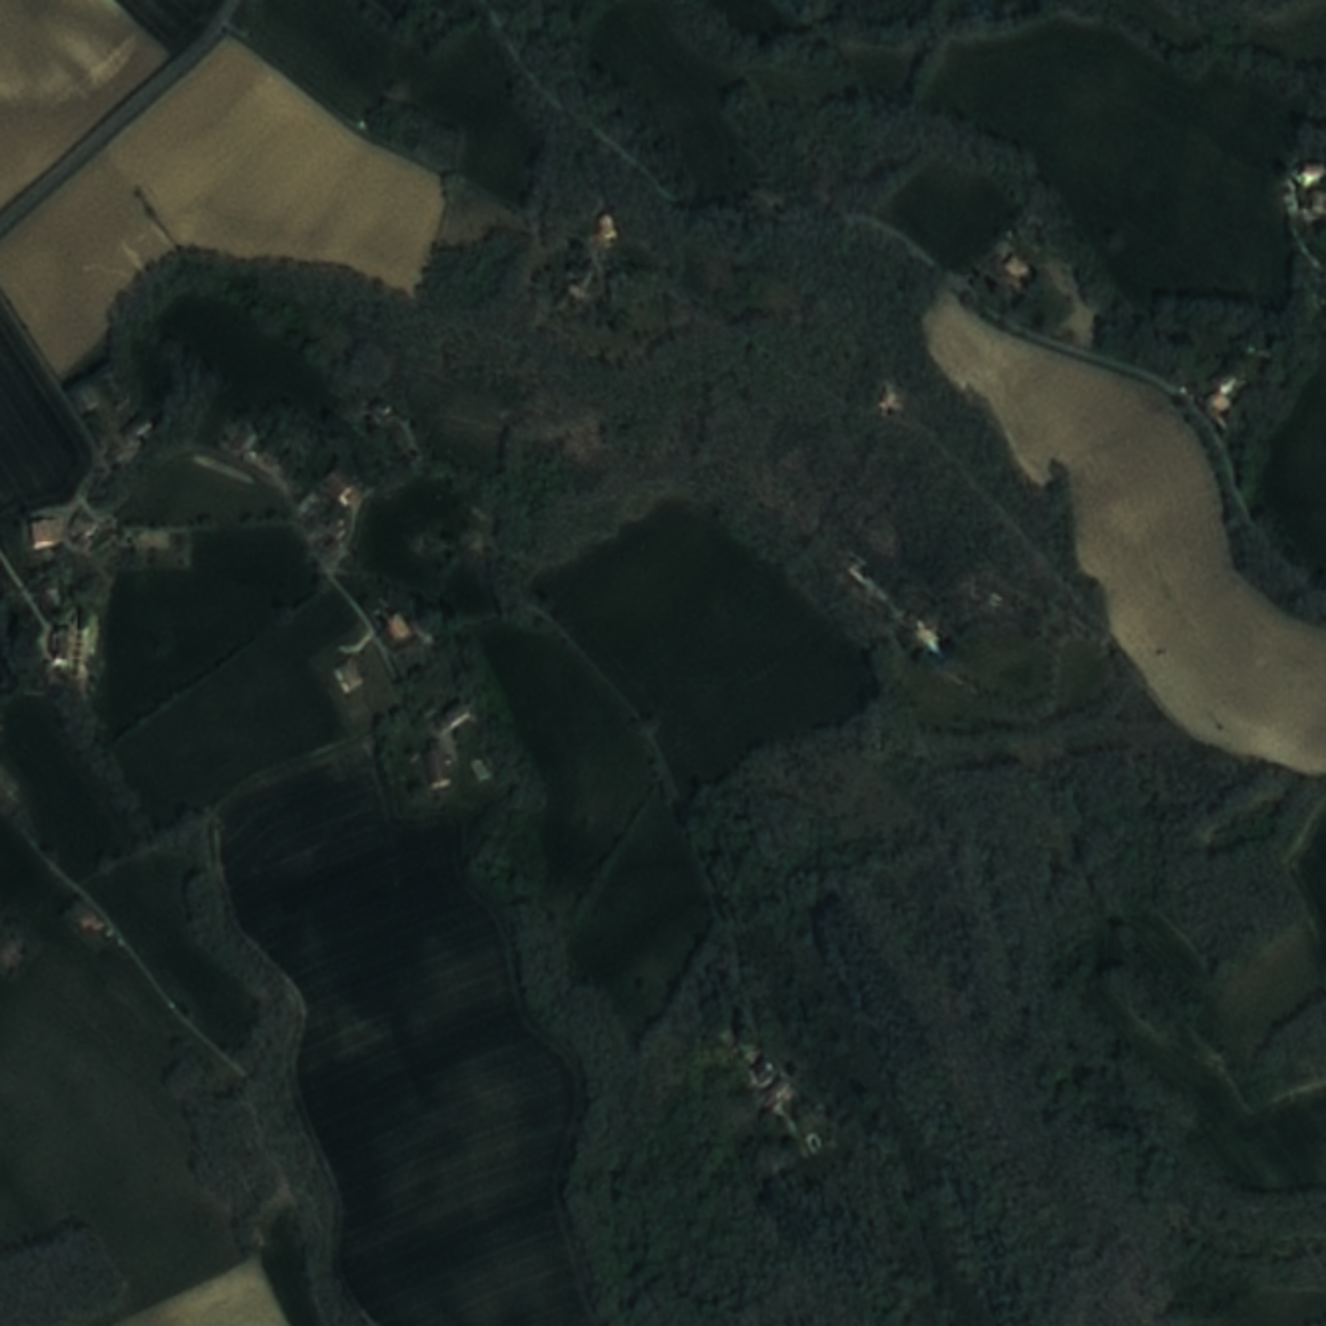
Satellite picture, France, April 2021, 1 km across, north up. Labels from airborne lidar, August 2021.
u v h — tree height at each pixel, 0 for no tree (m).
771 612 0
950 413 19
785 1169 13
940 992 12
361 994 0
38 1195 0
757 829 13
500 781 11
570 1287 0
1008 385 0
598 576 0
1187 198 0
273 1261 0
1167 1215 8
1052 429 0
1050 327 17
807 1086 11
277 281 18
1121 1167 20
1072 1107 19
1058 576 10
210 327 0
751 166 0
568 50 24
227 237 0
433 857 0
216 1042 0
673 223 18
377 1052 0
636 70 0
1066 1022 16
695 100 0
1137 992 18
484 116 0
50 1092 0
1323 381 0
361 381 14
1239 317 25
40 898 0
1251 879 17
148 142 0
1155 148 0
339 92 0
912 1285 16
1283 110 0
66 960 0
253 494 0
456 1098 0
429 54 9
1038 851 13
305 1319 0
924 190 0
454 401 0
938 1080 12
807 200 6
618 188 19
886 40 11
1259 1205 22
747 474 14
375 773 0
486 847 14
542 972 24
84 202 0
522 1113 0
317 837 0
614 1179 15
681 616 0
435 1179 0
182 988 0
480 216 0
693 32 7
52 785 0
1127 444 0
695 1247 5
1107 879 16
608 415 13
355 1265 0
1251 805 15
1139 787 12
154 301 23
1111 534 0
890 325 19
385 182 0
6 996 0
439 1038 0
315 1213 15
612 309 8
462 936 0
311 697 0
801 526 7
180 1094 14
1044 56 0
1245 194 0
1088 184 0
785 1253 9
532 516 10
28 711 0
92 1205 0
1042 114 0
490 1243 0
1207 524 0
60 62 0
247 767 0
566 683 0
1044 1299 10
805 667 0
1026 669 0
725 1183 12
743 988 7
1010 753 0
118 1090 0
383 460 12
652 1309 25
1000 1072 23
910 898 7
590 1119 10
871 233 12
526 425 19
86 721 21
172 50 0
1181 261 0
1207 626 0
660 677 0
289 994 15
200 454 0
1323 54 0
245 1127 16
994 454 17
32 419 0
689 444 11
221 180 0
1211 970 7
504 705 0
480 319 17
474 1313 0
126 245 0
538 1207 0
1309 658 0
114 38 0
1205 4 21
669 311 12
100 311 0
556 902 0
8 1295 21
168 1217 0
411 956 0
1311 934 0
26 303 0
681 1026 16
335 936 0
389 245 0
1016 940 23
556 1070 0
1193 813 10
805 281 19
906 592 13
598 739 0
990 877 8
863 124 10
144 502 0
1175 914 7
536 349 23
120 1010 0
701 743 0
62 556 12
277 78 0
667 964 0
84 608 14
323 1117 0
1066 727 17
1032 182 19
